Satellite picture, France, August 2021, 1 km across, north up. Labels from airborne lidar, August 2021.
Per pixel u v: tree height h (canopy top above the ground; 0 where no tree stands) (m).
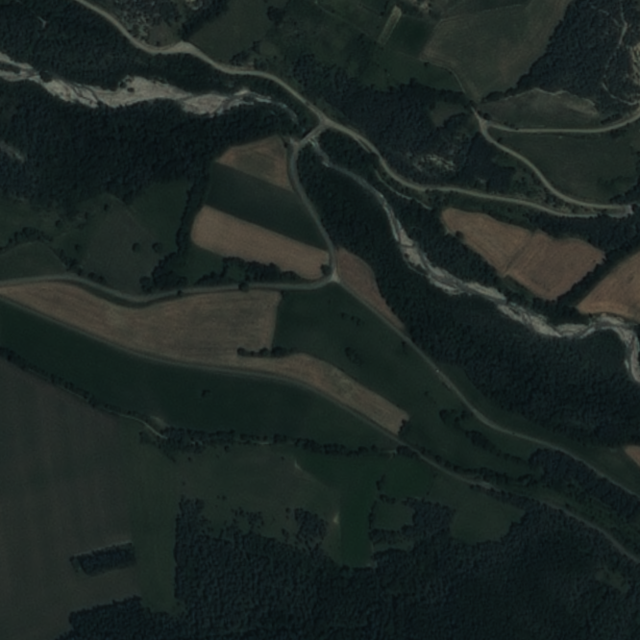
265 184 0
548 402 16
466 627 24
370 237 12
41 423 0
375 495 0
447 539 15
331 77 13
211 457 0
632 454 0
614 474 0
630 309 0
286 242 0
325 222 12
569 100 0
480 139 15
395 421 0
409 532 16
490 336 6
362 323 13
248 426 0
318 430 0
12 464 0
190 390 0
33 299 0
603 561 15
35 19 15
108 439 0
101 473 0
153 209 0
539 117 0
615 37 7
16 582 0
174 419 0
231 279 6
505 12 0
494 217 10
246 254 0
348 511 0
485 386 20
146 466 0
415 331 21
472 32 0
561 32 8
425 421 0
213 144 8
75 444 0
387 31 0
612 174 0
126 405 0
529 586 18
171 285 18
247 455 0
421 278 7
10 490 0
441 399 0
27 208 0
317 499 0
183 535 11
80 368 0
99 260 0
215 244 0
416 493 0
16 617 0
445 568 16
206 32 0
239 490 0
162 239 0
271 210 0
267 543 6
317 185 16
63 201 8
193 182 13
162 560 0
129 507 0
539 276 0
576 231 18
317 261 0
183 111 9
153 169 13
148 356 0
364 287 0
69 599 0
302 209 0
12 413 0
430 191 8
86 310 0
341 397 0
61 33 15
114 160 21
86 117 17
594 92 7
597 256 0
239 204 0
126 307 0
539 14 0
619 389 8
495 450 15
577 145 0
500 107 0
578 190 0
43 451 0
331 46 0
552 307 17
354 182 8
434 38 0
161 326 0
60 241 0
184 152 14
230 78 9
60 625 0
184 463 0
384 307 0
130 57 6
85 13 17
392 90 12
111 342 0
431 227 8
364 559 0
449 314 13
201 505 8
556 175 0
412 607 17
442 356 17
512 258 0
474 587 20
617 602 18
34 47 7
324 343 0
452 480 0
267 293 0
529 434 0
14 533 0
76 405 0
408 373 0
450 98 14
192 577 7
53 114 19
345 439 0
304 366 0
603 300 0
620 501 19
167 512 0
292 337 0
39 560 0
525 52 0
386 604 22
